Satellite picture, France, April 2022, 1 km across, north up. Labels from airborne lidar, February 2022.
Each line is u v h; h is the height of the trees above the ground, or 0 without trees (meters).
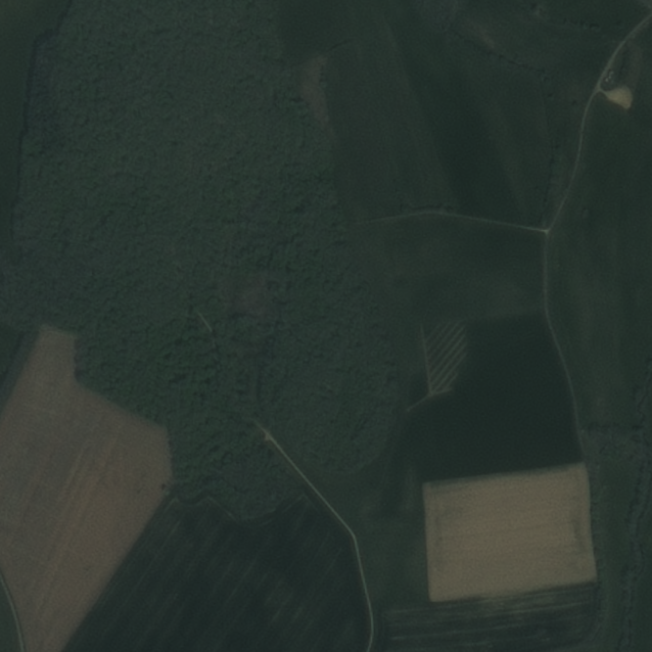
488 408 0
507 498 0
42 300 15
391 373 24
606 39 0
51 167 22
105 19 28
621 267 0
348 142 0
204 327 24
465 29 0
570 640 0
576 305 0
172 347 21
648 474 18
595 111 0
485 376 0
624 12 0
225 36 29
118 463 0
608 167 0
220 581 0
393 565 0
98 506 0
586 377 0
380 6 0
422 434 0
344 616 0
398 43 0
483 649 0
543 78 9
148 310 24
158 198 23
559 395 0
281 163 24
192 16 28
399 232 0
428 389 0
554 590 0
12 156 0
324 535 0
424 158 0
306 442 26
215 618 0
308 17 0
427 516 0
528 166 0
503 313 0
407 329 0
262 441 0
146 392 25
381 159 0
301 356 22
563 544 0
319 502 0
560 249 0
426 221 0
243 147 27
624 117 0
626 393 0
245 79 32
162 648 0
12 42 0
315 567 0
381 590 0
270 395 24
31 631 0
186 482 22
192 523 0
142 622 0
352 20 0
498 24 0
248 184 30
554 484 0
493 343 0
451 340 0
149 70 28
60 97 24
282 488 23
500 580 0
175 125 24
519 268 0
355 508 0
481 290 0
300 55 0
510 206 0
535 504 0
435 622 0
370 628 0
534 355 0
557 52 0
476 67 0
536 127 0
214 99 28
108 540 0
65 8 0
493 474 0
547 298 0
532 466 0
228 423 22
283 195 19
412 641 0
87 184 23
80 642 0
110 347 23
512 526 0
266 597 0
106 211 23
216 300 25
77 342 0
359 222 0
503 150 0
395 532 0
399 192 7
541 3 0
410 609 0
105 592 0
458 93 0
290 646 0
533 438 0
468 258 0
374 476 0
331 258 23
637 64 0
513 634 0
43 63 27
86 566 0
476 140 0
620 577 0
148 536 0
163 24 27
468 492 0
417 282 0
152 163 23
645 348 0
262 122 28
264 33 33
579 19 0
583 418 0
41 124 27
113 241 31
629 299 0
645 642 0
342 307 23
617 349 0
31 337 23
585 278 0
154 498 0
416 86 0
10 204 0
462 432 0
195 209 27
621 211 0
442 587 0
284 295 27
